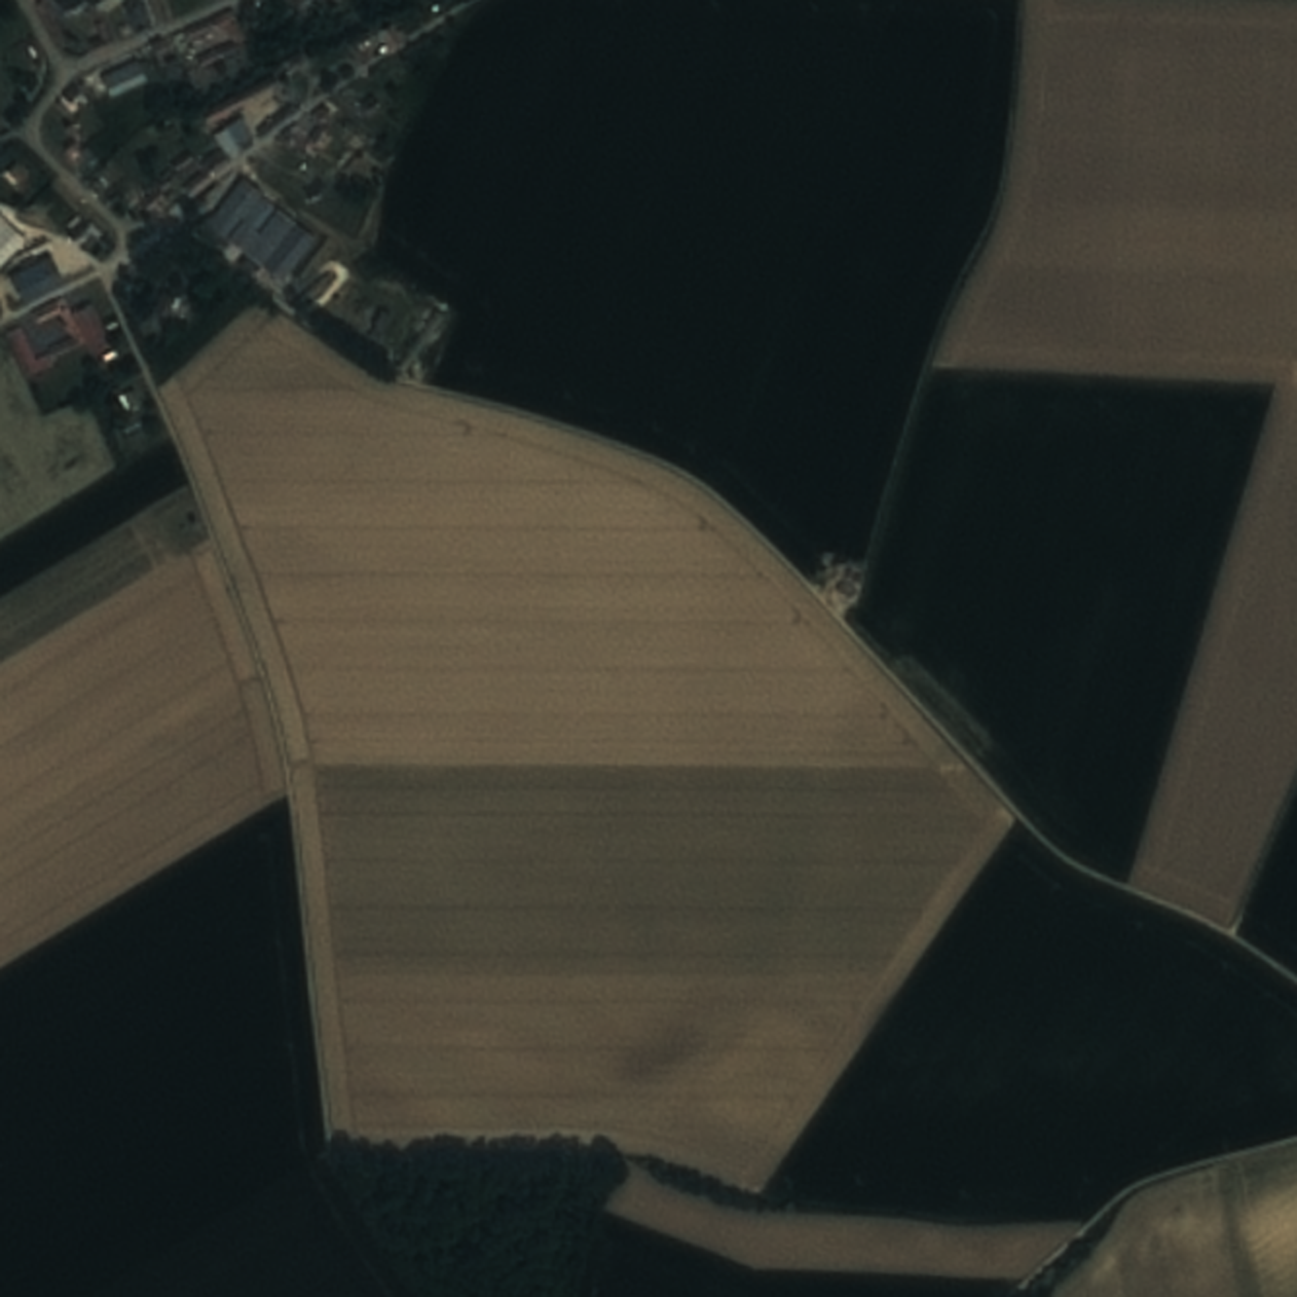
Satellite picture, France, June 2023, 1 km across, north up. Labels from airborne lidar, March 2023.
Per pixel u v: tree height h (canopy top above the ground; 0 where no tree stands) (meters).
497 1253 29
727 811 0
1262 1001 0
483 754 0
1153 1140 0
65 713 0
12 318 0
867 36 0
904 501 0
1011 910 0
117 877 0
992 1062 0
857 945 0
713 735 0
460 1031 0
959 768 0
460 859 0
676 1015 0
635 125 0
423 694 0
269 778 0
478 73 0
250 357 0
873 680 0
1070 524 0
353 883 0
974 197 0
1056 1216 0
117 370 10
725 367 0
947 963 0
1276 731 0
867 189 0
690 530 0
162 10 0
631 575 0
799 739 0
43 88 0
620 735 0
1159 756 0
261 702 0
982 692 0
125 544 0
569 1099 0
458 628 0
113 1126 0
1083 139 0
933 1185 0
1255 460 0
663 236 0
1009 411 0
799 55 0
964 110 0
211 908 0
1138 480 0
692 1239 0
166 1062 0
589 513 0
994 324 0
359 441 0
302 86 0
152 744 0
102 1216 0
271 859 0
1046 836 0
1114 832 0
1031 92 0
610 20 0
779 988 0
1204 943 0
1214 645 0
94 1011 0
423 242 0
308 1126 0
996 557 0
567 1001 0
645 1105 0
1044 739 0
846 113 0
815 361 0
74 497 0
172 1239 0
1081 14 0
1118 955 0
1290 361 0
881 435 0
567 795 0
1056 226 0
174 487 0
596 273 0
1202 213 0
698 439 0
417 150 0
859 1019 0
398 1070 0
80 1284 0
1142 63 0
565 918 0
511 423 0
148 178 7
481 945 0
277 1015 0
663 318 0
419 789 0
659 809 0
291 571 0
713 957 0
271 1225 0
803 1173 0
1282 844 0
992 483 0
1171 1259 0
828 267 0
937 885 0
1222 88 0
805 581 0
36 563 0
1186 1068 0
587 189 0
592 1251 0
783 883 0
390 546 0
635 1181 0
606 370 0
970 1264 0
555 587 0
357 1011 0
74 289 0
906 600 0
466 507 0
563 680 0
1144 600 0
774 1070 0
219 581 0
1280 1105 0
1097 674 0
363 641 0
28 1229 0
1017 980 0
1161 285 0
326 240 0
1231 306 0
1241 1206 0
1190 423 0
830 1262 0
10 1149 0
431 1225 29
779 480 0
